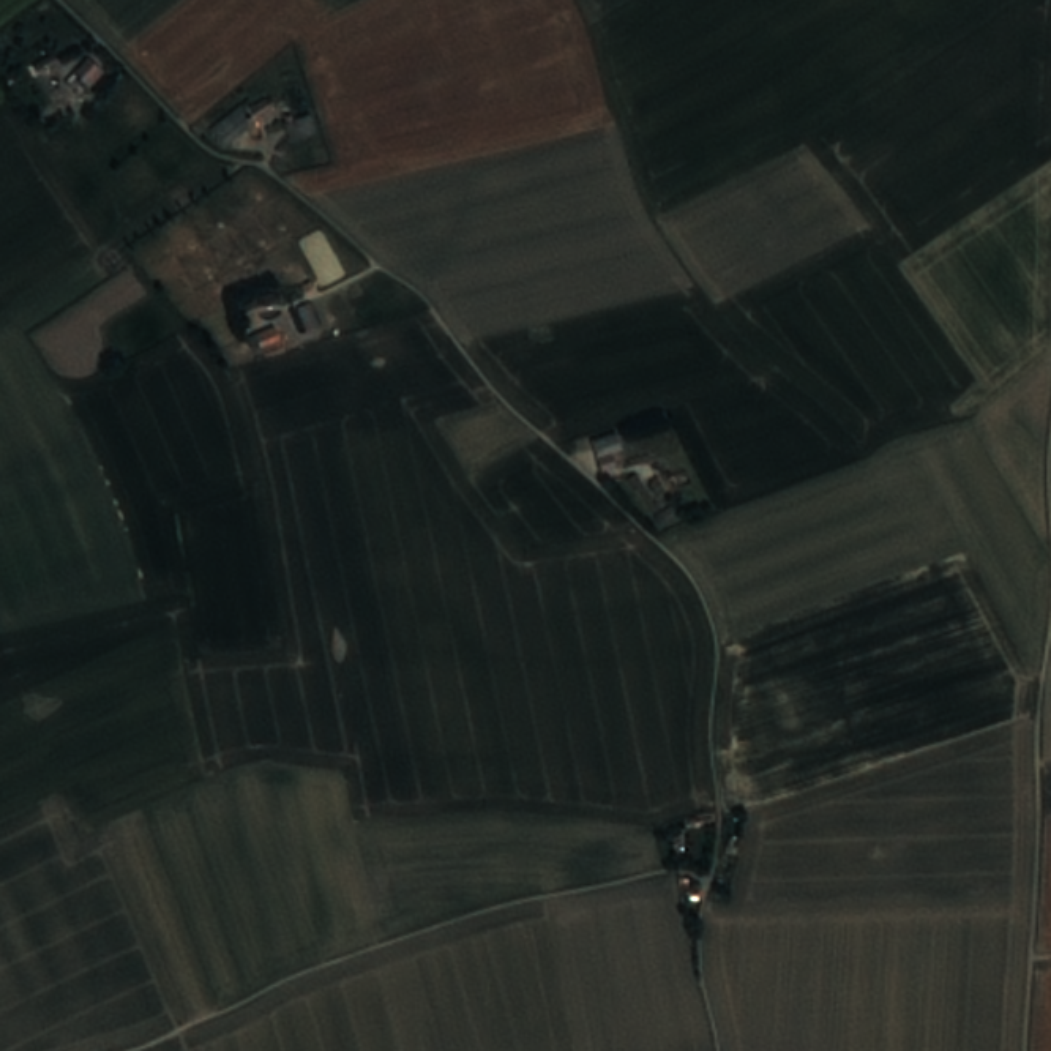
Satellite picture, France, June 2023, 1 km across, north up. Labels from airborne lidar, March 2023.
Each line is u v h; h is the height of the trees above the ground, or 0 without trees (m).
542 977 0
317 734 0
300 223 0
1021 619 0
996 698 0
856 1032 0
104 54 13
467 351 0
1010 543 0
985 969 0
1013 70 0
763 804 0
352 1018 0
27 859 0
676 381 0
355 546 0
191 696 0
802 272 0
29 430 0
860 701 0
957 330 0
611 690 0
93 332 0
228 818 0
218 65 0
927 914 0
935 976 0
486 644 0
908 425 0
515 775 0
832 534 0
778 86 0
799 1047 0
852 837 0
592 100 0
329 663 0
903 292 0
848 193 0
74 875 0
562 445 0
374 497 0
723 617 0
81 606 0
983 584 0
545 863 0
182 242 0
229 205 0
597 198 0
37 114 16
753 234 0
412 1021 0
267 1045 0
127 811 0
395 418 0
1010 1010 0
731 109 0
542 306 0
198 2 0
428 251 0
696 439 0
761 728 0
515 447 0
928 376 0
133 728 0
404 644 0
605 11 0
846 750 0
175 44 0
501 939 0
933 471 0
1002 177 0
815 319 0
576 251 0
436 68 0
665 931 0
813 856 0
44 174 0
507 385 0
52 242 0
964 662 0
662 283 0
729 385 0
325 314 0
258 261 0
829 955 0
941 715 0
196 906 0
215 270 0
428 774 0
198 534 0
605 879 0
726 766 0
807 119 0
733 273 0
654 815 0
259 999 0
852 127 0
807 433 0
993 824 0
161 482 0
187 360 0
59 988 0
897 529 0
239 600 0
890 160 0
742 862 0
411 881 0
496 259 0
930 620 0
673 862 7
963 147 0
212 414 0
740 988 0
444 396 0
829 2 0
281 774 0
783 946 0
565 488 0
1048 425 0
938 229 0
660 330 0
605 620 0
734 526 0
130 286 0
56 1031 0
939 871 0
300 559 0
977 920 0
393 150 0
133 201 0
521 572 0
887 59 0
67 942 0
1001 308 0
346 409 0
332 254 0
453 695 0
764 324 0
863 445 0
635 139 0
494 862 0
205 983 0
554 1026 0
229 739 0
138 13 0
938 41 0
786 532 0
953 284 0
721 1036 0
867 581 0
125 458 0
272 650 0
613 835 0
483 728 0
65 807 0
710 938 0
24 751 0
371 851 0
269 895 0
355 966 0
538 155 0
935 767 0
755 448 0
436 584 0
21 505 0
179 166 0
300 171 0
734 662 0
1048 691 0
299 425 0
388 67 0
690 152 0
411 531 0
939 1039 0
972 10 0
